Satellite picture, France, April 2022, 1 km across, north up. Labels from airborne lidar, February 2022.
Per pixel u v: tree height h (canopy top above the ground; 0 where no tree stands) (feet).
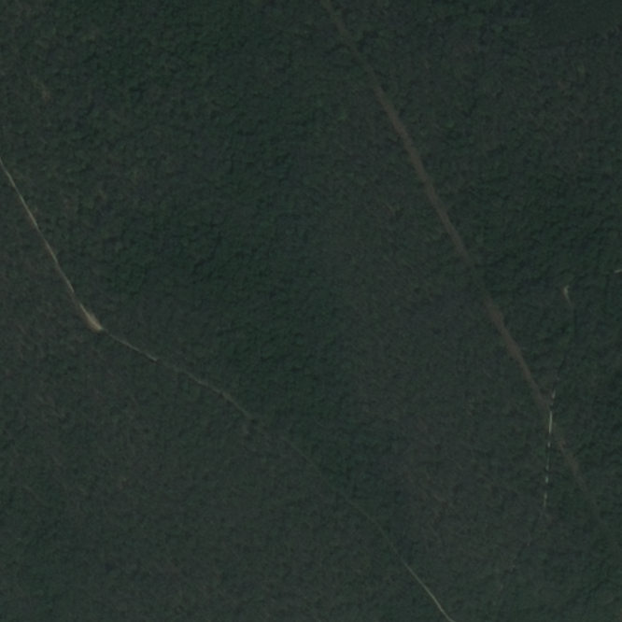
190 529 82
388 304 79
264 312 85
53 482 72
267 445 79
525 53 93
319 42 90
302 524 76
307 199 95
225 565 89
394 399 66
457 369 84
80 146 78
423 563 82
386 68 103
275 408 82
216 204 92
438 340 88
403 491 77
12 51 90
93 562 89
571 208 77
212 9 77
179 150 95
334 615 97
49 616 75
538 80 94
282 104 63
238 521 81
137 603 101
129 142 87
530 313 68
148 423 74
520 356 0
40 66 79
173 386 69
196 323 89
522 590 77
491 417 74
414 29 98
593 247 82
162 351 81
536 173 90
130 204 83
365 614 83
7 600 88
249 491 92
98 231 93
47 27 93
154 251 77
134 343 82
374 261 86
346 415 97
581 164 89
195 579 67
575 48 64
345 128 88
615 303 82
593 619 87
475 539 74
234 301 71
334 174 72
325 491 69
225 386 77
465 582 89
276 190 80
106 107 91
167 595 101
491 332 85
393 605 73
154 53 86
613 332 90
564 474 85
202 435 50
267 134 87
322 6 79
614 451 85
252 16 96
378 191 79
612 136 94
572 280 79
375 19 93
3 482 82
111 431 81
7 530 86
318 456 91
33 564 79
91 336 90
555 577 86
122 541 86
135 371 90
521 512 90
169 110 103
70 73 74
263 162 82
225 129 82
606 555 68
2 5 82
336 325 82
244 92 89
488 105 94
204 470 82
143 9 81
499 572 73
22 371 51
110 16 75
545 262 83
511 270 88
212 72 78
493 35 94
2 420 72
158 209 93
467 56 100
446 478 80
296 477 74
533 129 91
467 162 88
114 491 83
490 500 89
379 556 85
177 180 87
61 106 91
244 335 92
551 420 0
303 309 77
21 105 90
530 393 65
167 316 83
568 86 82
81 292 76
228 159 80
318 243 87
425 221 89
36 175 81
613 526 75
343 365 76
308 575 84
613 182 87
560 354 88
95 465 83
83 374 99
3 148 81
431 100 89
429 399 75
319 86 88
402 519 79
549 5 51
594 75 83
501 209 89
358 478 87
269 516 74
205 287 81
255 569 92
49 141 78
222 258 89
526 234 62
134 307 77
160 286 92
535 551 69
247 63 88
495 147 90
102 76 65
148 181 99
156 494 87
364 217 85
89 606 101
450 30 97
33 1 84
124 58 70
